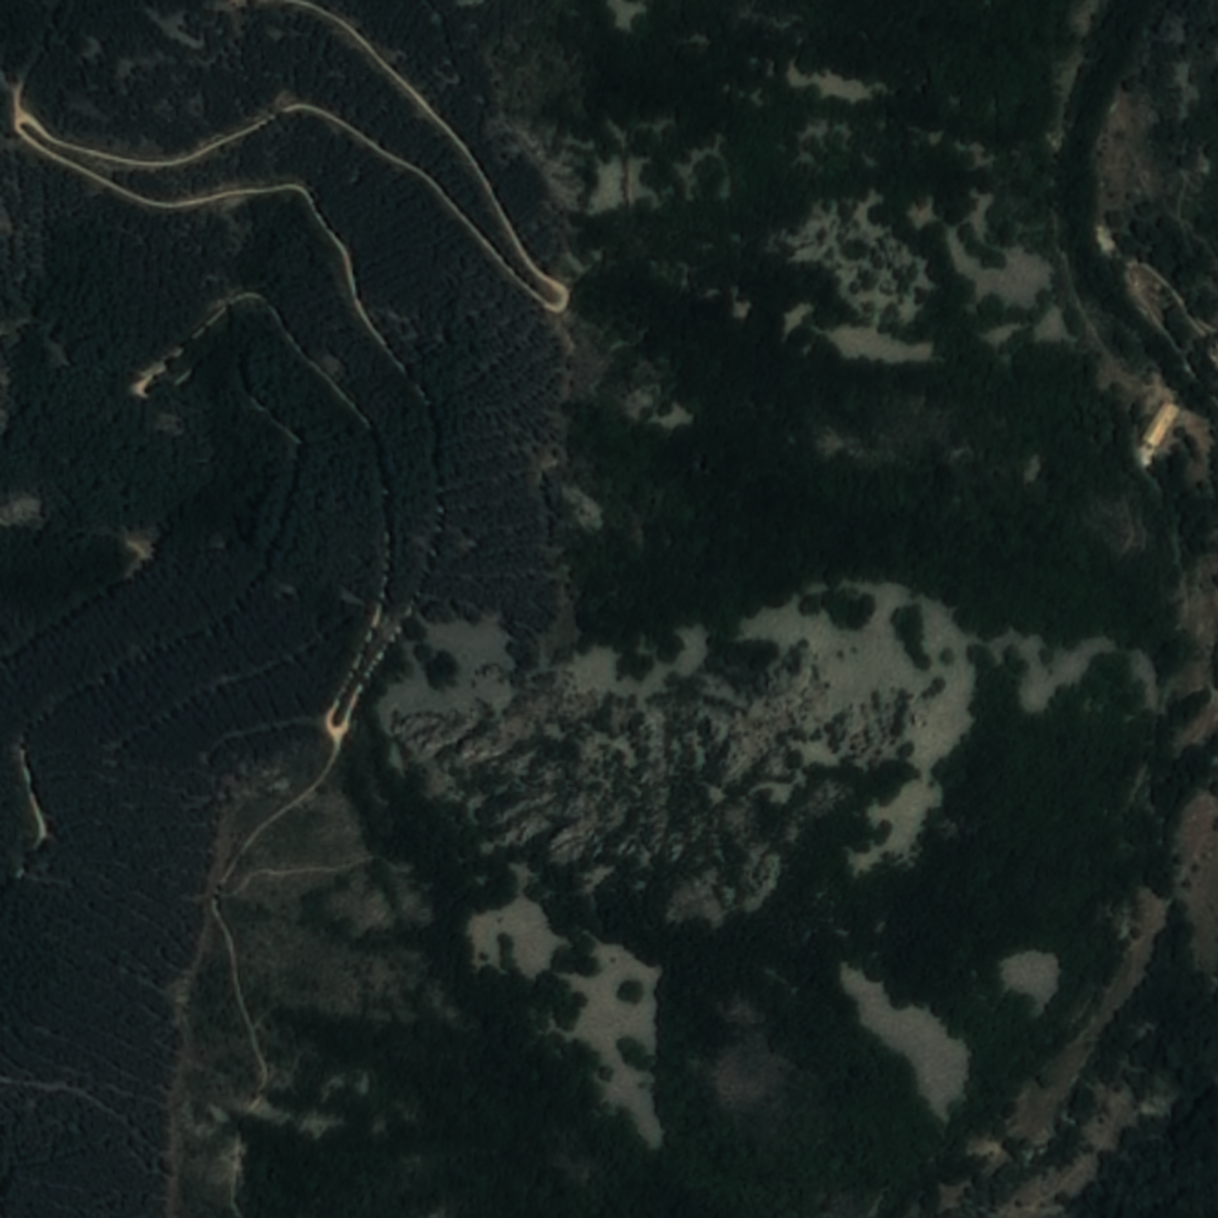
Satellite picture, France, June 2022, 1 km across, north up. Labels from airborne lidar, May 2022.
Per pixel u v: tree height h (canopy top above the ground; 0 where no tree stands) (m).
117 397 25
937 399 14
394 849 11
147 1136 15
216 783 15
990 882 19
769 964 14
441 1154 5
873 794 7
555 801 6
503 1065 13
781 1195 14
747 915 11
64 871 20
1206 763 8
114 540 20
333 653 17
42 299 22
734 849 11
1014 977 0
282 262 21
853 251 10
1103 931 8
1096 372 10
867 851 10
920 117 15
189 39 8
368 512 20
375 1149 13
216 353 19
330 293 15
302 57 18
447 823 12
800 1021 16
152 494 29
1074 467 17
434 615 18
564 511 11
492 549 20
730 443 22
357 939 8
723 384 15
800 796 9
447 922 14
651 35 14
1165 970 17
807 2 10
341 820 0
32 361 25
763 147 12
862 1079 19
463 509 21
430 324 17
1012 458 7
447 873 16
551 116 7
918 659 11
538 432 17
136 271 20
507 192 16
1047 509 8
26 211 20
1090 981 12
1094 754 15
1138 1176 13
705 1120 7
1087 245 17
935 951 22
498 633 0
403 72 11
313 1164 18
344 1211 5
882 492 17
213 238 17
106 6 16
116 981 20
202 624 21
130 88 11
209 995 7
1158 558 9
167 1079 16
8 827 24
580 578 11
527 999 15
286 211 14
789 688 0
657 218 10
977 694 6
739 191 15
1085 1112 13
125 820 20
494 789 7
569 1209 17
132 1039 16
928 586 15
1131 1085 11
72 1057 20
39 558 28
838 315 11
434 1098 16
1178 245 7
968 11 7
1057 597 17
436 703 0
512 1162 12
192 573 17
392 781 12
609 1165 7
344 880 7
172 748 16
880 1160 15
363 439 14
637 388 7
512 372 20
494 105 9
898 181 19
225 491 26
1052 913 16
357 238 18
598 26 11
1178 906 12
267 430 27
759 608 7
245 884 0
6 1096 17
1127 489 7
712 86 16
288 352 24
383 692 8
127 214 17
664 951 17
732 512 20
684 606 16
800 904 9
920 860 13
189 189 7
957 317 13
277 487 27
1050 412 15
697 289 15
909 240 11
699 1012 13
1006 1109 13
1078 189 18
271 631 17
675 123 6
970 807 14
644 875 11
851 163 9
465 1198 10
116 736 15
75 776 20
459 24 15
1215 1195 7
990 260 11
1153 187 0
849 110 13
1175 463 17
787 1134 9
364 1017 6
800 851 10
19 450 28
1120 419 12
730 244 8
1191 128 10
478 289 19
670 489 11
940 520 14
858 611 16
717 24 14
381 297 18
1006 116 13
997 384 13
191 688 18
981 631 7
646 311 13
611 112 12
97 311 23
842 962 10
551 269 15
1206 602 0
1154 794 14
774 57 12
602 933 11
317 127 18
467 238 17
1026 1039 14
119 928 16
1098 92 16
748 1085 0
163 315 24
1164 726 12
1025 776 14
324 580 22
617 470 13
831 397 13
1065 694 11
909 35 11
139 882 19
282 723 15
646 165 7
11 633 18
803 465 19
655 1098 7
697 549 14
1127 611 19
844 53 16
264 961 0
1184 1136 20
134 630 19
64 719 14
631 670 9
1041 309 8
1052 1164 9
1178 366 10
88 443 25
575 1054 14
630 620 16
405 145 18
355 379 18
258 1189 16
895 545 18
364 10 14
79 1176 21
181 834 17
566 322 0
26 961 24
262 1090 7
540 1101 12
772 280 17
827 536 10
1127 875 17
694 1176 16
